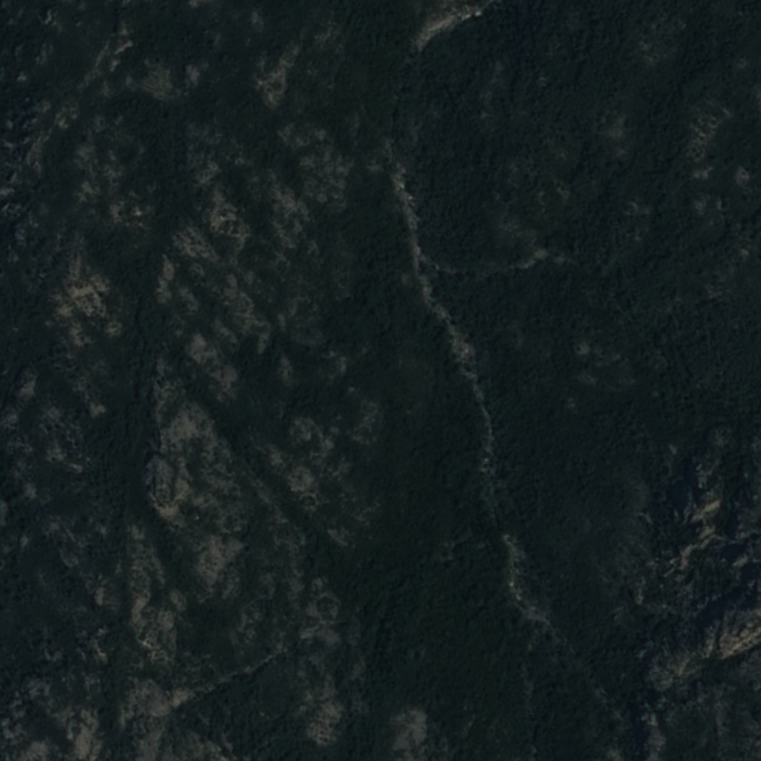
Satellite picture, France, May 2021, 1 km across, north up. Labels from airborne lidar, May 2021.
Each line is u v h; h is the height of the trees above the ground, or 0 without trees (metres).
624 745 14
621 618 5
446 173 7
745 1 8
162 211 14
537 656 11
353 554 8
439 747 16
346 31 11
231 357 7
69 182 6
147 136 10
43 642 15
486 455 10
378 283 29
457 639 15
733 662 7
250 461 17
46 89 9
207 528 8
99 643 8
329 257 8
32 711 14
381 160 13
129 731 8
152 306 16
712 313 17
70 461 12
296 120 7
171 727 8
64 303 0
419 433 7
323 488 6
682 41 9
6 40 6
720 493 22
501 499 10
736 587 10
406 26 14
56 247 0
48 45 6
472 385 9
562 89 15
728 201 9
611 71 8
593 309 6
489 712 11
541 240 8
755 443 6
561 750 12
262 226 10
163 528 10
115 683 17
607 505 7
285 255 8
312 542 12
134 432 17
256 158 7
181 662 12
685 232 12
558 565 5
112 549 10
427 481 17
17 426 11
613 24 6
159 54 6
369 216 8
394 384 6
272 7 7
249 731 9
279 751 14
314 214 6
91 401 8
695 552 11
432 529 10
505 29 16
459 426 22
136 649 6
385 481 10
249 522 9
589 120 16
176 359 11
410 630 23
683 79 11
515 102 15
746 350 15
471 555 16
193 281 8
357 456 10
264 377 6
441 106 7
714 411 6
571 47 8
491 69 7
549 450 9
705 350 17
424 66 10
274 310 7
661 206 20
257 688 15
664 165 12
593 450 7
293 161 7
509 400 10
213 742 10
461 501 16
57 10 7
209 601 9
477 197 9
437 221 19
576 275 11
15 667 10
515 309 6
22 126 8
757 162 12
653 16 7
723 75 13
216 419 12
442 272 6
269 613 11
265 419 8
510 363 12
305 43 10
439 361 15
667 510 14
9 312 13
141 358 12
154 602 8
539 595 7
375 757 13
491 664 25
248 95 12
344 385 7
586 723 7
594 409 6
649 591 6
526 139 13
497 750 7
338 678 14
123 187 6
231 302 7
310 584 9
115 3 6
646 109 6
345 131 9
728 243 14
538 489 15
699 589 7
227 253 9
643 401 6
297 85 12
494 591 7
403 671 7
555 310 9
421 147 7
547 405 8
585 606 12
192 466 13
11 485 10
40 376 7
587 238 15
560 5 6
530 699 8
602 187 6
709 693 7
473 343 9
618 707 11
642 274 19
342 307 12
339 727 12
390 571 22
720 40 6
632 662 7
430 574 16
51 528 0
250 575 7
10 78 7
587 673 12
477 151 6
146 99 7
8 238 6
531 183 10
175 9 8
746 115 9
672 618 13
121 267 9
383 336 16
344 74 8
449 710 13
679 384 12
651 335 15
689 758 12
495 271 7
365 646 9
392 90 9
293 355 10
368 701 14
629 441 9
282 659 6
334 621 6
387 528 10
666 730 5
